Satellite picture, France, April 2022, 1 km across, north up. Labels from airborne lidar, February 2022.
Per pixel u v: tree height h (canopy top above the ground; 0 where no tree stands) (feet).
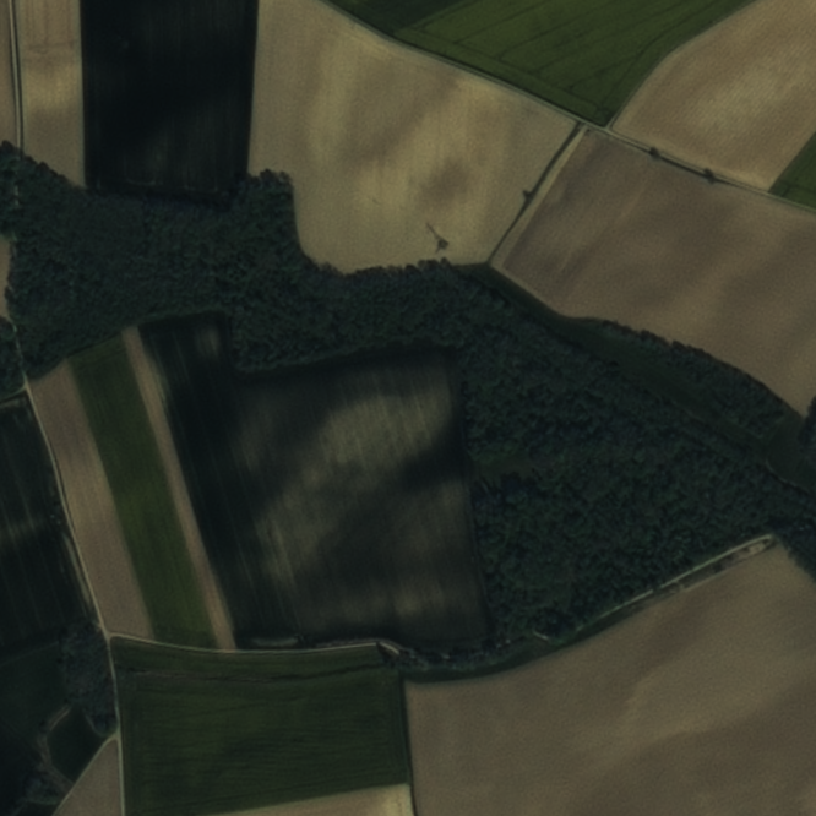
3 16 0
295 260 81
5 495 0
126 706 0
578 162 0
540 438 101
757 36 0
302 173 0
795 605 0
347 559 0
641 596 0
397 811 0
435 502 0
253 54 0
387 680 0
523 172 0
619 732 0
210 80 0
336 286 80
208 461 0
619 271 0
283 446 0
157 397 0
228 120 0
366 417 0
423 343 0
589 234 0
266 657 0
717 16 0
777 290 0
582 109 0
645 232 0
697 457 47
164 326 0
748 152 0
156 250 84
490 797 0
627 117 0
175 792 0
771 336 0
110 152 0
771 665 0
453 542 0
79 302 67
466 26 0
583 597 73
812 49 0
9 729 0
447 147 0
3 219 58
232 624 0
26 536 0
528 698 0
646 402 52
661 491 84
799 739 0
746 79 0
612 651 0
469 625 0
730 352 0
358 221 0
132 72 0
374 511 0
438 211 0
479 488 0
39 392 0
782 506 50
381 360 0
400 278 65
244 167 0
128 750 0
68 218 59
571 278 0
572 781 0
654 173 0
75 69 0
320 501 0
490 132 0
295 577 0
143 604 0
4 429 0
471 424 37
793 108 0
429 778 0
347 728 0
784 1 0
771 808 0
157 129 0
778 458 0
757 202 0
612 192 0
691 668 0
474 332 24
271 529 0
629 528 108
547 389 101
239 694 0
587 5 0
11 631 0
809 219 0
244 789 0
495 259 0
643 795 0
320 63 0
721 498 81
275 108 0
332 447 0
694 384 45
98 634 62
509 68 0
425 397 0
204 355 0
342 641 0
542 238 0
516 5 0
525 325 47
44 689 0
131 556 0
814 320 0
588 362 23
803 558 103
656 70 0
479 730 0
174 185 0
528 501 99
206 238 87
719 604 0
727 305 0
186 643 0
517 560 102
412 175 0
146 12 0
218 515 0
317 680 0
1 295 0
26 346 69
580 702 0
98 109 0
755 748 0
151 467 0
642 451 108
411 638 0
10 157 62
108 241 52
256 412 0
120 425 0
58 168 0
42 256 76
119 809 0
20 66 0
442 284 60
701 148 0
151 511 0
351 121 0
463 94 0
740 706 0
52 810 0
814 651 0
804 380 0
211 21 0
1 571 0
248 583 0
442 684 0
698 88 0
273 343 69
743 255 0
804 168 0
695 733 0
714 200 0
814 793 0
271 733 0
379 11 0
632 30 0
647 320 0
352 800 0
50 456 0
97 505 0
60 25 0
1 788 0
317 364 0
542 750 0
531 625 86
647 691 0
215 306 55
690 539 42
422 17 0
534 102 0
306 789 0
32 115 0
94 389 0
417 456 0
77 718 0
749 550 0
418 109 0
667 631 0
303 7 0
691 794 0
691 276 0
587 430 104
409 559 0
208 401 0
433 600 0
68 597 0
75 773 0
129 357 0
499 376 90
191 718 0
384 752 0
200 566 0
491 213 0
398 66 0
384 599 0
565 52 0
